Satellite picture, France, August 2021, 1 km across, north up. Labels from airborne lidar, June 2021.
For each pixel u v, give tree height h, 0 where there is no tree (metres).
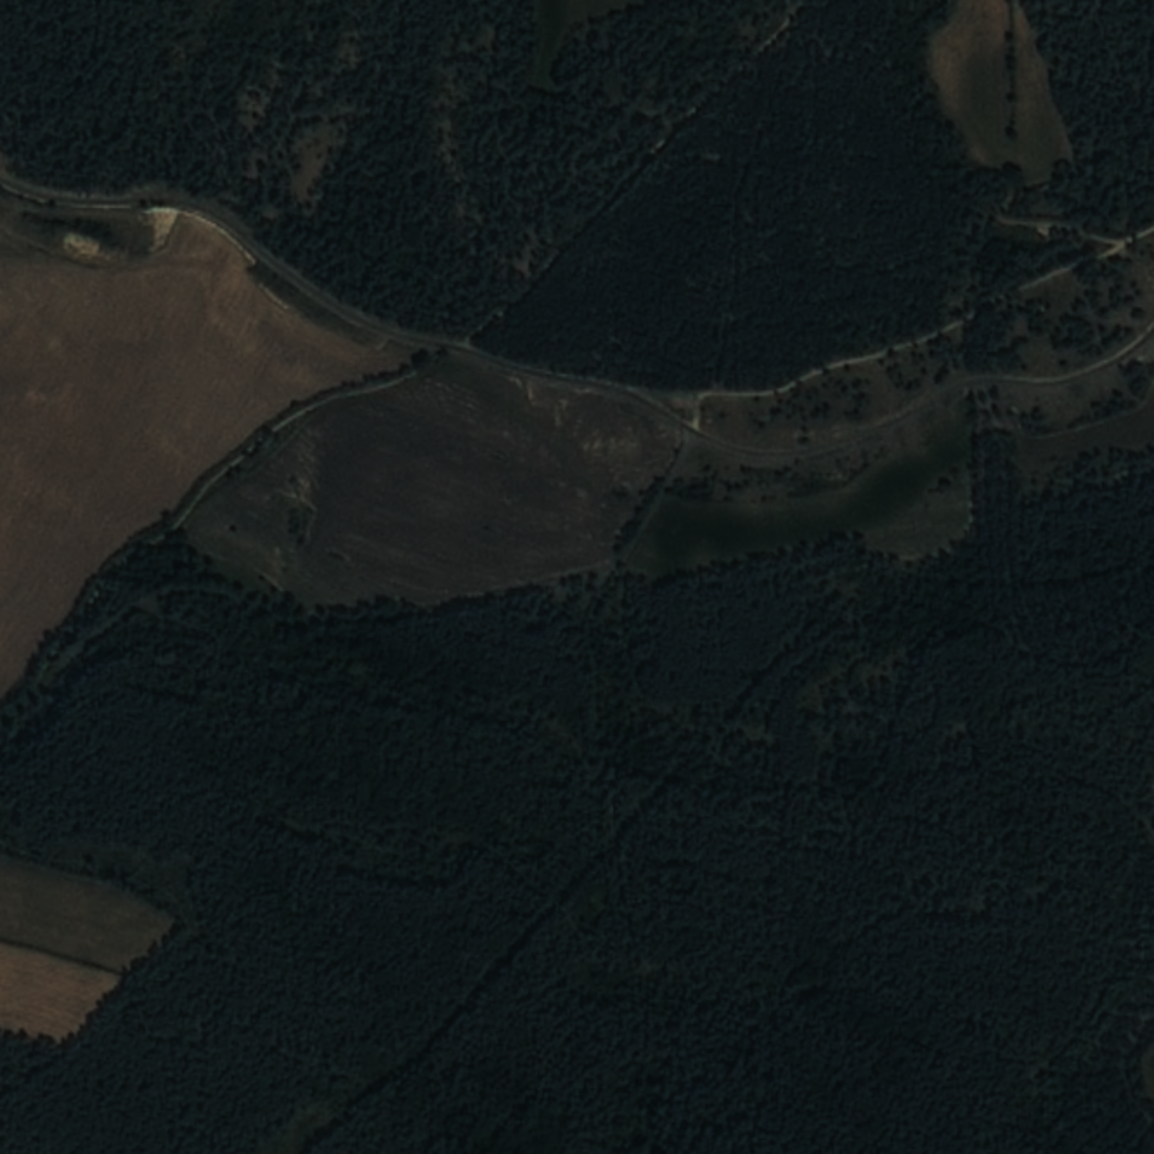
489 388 0
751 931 15
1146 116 13
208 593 11
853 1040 14
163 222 0
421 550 0
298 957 12
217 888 12
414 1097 14
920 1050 17
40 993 0
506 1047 15
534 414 0
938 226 9
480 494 0
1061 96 13
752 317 9
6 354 0
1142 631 14
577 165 7
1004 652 12
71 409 0
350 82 11
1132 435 0
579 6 0
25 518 0
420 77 13
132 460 0
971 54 0
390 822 15
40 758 16
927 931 15
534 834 11
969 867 11
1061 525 14
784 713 16
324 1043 11
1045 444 0
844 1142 15
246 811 16
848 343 6
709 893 15
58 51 12
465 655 19
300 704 10
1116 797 12
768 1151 12
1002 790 14
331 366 0
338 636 10
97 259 0
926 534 0
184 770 12
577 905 17
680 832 14
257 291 0
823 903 14
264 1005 11
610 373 8
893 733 11
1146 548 11
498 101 15
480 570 0
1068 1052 11
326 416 0
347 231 17
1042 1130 10
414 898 15
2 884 0
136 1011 12
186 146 18
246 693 11
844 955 14
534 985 17
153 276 0
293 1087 16
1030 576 9
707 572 10
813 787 8
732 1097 18
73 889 0
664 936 17
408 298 16
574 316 9
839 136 11
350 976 16
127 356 0
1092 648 9
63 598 0
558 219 16
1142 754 7
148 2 13
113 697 14
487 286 16
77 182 14
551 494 0
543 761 13
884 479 0
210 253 0
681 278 12
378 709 15
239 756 12
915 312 11
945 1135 19
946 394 0
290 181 9
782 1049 17
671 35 9
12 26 17
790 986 19
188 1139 19
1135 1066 8
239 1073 14
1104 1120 11
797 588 12
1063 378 0
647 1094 7
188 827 11
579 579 9
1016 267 14
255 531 0
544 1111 19
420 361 11
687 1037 16
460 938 16
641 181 11
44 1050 10
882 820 15
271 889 12
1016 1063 17
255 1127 10
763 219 9
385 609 15
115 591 9
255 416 0
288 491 0
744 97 11
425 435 0
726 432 0
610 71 11
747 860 16
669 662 16
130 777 12
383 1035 14
